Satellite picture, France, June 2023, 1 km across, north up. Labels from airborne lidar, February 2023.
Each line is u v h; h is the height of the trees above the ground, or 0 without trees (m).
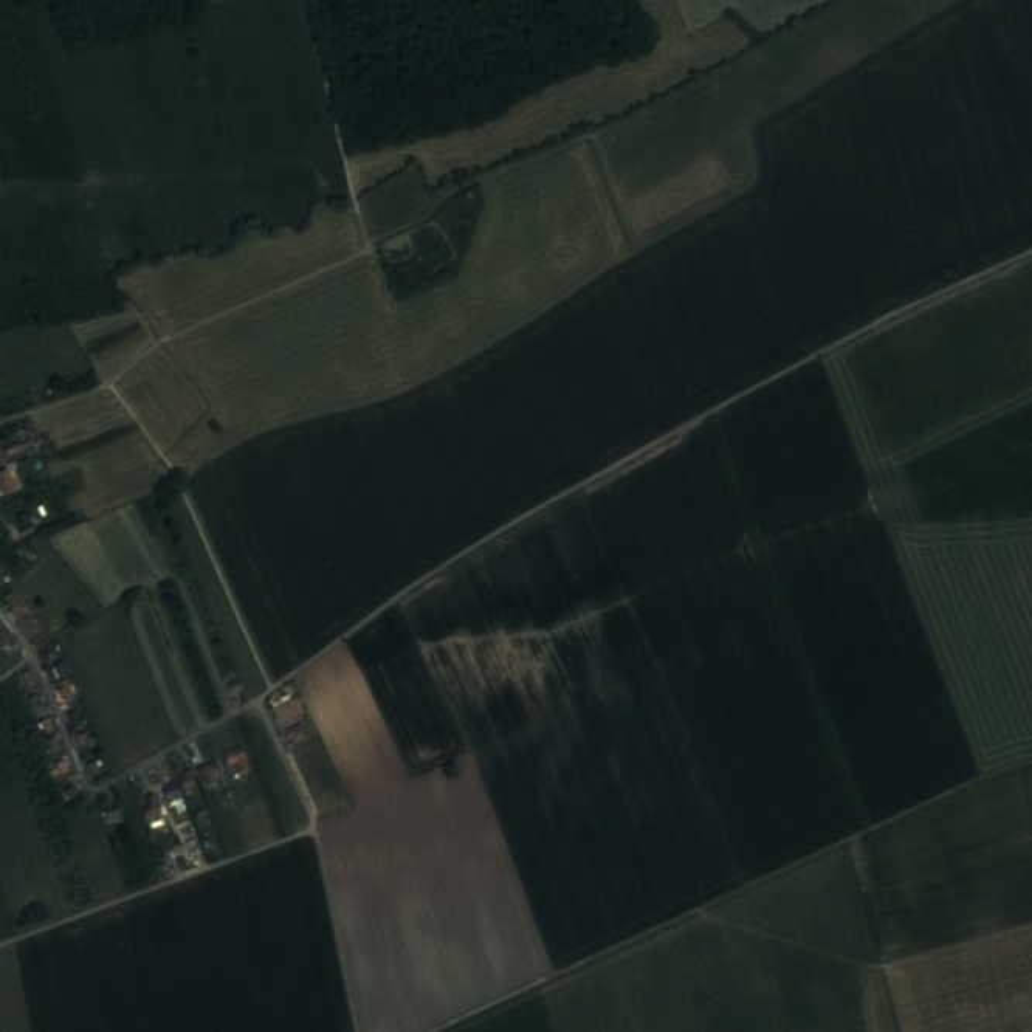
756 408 0
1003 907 0
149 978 0
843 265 0
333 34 22
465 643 0
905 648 0
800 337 0
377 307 0
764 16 0
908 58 0
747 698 0
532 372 0
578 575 0
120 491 0
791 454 0
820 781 0
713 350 0
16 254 0
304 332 0
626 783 0
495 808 0
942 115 0
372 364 0
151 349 0
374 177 0
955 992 0
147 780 0
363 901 0
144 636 0
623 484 0
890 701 0
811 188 0
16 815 0
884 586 0
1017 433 0
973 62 0
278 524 0
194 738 0
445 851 0
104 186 0
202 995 0
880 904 0
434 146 0
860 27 0
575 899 0
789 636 0
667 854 0
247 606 0
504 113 15
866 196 0
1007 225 0
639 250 0
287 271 0
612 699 0
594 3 22
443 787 0
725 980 0
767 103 0
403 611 0
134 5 19
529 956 0
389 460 0
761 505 0
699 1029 0
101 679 0
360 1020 0
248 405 0
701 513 0
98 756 9
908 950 0
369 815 0
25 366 0
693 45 0
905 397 0
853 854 0
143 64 0
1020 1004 0
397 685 0
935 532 0
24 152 0
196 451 0
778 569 0
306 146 0
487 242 0
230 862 0
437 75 24
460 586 0
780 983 0
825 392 0
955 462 0
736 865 0
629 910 0
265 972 0
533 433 0
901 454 0
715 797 0
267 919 0
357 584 0
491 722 0
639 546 0
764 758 0
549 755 0
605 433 0
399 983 0
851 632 0
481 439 0
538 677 0
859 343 0
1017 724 0
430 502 0
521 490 0
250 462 0
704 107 0
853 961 0
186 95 0
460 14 24
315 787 0
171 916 0
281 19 0
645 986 0
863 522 0
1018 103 0
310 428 0
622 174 0
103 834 0
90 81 0
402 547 0
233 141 0
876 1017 0
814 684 0
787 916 0
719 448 0
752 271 0
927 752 0
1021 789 0
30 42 0
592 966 0
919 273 0
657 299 0
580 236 0
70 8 23
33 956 0
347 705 0
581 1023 0
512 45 21
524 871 0
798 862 0
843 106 0
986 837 0
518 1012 0
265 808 0
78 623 20
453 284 0
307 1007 0
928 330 0
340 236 0
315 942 0
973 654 0
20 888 0
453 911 0
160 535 0
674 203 0
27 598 0
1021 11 0
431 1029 0
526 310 0
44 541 0
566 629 0
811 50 0
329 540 0
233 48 0
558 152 0
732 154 0
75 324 0
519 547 0
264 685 0
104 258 0
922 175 0
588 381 0
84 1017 0
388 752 0
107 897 0
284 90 0
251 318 0
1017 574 0
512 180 0
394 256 0
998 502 0
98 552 0
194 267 0
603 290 0
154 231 0
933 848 0
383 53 24
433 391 0
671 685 0
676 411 0
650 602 0
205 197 0
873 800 0
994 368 0
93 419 0
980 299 0
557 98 0
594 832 0
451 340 0
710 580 0
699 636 0
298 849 0
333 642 0
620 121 8
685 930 0
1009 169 0
